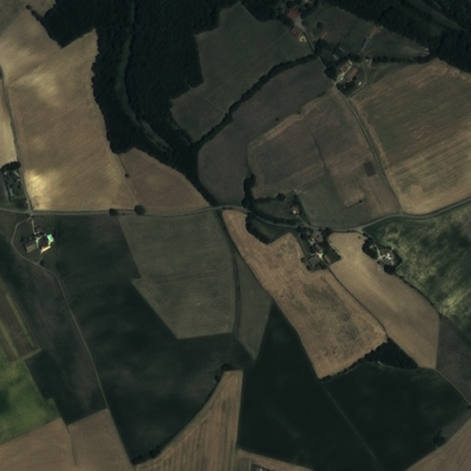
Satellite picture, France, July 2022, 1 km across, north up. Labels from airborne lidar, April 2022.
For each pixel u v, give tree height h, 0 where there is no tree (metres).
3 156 0
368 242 14
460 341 0
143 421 0
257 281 0
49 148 0
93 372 0
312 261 0
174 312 0
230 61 0
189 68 14
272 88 0
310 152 0
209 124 0
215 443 0
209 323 0
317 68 0
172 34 11
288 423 0
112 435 0
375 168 0
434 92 0
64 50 0
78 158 0
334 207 0
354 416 0
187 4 13
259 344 0
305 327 0
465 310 0
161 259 0
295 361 0
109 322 0
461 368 0
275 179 0
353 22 0
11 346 0
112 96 14
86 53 0
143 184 0
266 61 0
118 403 0
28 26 0
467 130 0
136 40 20
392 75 0
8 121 0
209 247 0
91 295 0
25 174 0
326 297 0
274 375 0
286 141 0
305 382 0
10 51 0
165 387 0
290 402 0
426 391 0
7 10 0
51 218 0
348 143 0
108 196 0
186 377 0
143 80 16
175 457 0
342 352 0
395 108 0
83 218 0
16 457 0
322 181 0
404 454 0
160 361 0
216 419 0
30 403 0
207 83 0
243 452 0
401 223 0
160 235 0
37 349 0
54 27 17
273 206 0
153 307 0
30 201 0
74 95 0
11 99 0
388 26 14
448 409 0
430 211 0
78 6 17
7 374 0
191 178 13
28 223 0
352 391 0
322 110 0
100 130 0
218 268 0
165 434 0
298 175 0
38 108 0
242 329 0
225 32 0
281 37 0
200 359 0
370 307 0
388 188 0
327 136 0
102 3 21
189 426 0
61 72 0
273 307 0
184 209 0
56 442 0
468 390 0
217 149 0
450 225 0
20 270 0
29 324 0
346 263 0
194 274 0
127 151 12
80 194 0
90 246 0
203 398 0
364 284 0
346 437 0
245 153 0
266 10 18
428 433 0
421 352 0
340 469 0
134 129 13
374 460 0
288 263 0
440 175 0
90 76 0
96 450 0
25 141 0
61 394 0
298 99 0
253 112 0
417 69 0
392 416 0
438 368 0
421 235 0
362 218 0
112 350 0
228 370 9
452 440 0
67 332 0
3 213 0
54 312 0
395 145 0
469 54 25
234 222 0
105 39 23
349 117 0
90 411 0
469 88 0
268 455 0
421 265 0
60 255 0
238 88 0
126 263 0
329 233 11
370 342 0
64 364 0
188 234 0
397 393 0
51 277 0
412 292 0
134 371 0
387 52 0
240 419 0
